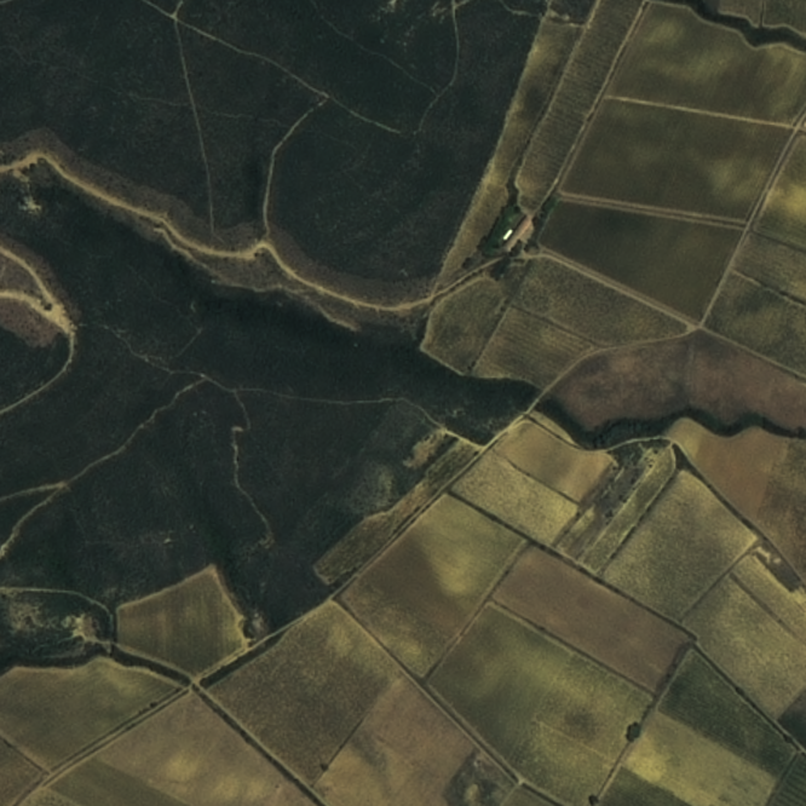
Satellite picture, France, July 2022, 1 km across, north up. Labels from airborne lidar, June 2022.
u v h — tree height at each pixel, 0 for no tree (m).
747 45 0
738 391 0
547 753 0
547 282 0
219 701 0
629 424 10
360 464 0
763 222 0
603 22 0
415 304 0
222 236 0
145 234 0
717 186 0
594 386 0
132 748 0
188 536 0
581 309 0
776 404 0
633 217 0
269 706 0
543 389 0
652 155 0
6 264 0
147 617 0
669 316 0
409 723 0
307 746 0
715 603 0
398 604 0
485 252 12
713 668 0
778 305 0
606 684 0
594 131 0
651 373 0
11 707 0
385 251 0
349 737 0
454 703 0
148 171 0
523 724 0
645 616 0
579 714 0
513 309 0
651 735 0
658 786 0
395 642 0
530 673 0
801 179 0
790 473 0
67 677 0
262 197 0
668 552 0
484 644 0
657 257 0
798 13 0
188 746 0
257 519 0
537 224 10
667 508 0
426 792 0
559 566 0
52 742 0
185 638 0
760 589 0
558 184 0
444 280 0
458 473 0
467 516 0
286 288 0
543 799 0
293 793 0
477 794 0
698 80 0
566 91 0
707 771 0
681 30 0
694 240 0
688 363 0
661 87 0
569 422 6
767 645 0
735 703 0
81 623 0
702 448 0
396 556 0
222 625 0
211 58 0
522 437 0
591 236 0
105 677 0
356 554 0
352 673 0
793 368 0
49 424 0
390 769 0
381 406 0
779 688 0
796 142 0
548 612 0
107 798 0
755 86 0
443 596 0
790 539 0
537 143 0
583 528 0
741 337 0
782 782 0
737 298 0
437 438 0
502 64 0
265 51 0
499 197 0
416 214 0
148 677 0
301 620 0
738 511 0
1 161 10
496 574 0
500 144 0
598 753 0
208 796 0
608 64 0
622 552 0
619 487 0
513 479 0
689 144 0
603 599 0
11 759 0
